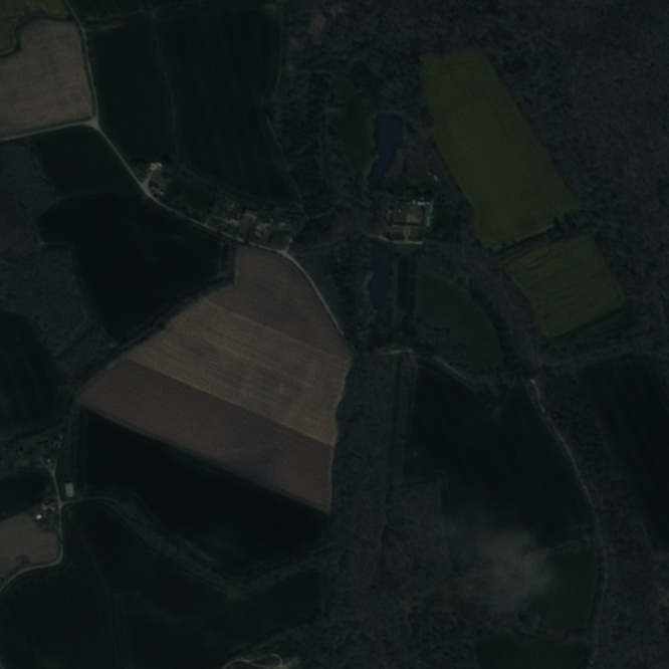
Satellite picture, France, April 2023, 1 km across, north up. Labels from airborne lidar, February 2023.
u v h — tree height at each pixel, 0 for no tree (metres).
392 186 0
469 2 18
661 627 13
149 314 0
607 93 14
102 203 0
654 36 18
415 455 0
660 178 17
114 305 0
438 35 21
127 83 0
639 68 16
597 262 0
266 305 0
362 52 17
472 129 0
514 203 0
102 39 0
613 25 18
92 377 13
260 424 0
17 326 0
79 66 0
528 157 0
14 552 0
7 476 8
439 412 0
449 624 17
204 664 0
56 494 9
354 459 20
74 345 8
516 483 0
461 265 13
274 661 0
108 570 0
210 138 0
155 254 0
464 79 0
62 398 0
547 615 0
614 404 0
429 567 18
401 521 12
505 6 20
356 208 18
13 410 0
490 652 0
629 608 12
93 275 0
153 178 0
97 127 0
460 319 0
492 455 0
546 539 0
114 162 0
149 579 0
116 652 0
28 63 0
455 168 0
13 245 14
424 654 20
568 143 20
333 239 13
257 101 0
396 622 17
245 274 0
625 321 0
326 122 11
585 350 11
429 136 10
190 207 0
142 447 0
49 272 12
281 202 0
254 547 0
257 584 15
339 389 0
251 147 0
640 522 12
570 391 17
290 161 14
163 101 0
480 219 0
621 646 19
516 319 19
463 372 7
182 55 0
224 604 0
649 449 0
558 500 0
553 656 0
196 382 0
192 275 0
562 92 18
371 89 0
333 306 16
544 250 0
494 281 14
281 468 0
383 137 0
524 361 17
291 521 0
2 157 9
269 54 0
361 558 16
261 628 0
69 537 0
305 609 0
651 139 17
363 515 15
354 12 15
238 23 0
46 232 0
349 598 14
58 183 0
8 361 0
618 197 20
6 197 16
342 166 12
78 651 0
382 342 24
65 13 0
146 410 0
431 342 13
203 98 0
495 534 0
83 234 0
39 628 0
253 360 0
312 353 0
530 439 0
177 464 0
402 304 0
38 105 0
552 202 0
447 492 0
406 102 24
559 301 0
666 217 17
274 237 7
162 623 0
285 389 0
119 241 0
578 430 21
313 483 0
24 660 0
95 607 0
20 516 0
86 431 0
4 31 0
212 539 0
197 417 0
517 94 17
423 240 9
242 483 0
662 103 17
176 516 0
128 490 0
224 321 0
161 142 0
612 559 17
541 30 18
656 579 15
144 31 0
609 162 18
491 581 8
